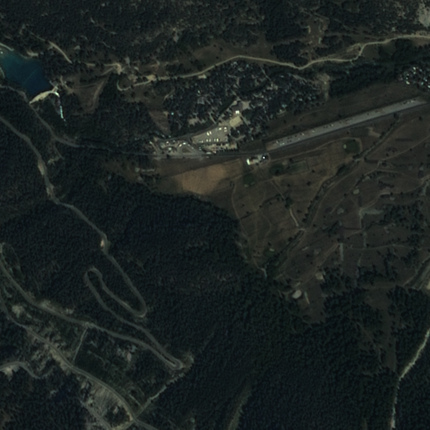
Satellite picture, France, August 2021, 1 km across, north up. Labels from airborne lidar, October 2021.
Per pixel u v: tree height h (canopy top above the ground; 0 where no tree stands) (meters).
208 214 12
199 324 11
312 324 0
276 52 10
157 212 15
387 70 12
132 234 12
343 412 11
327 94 0
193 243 14
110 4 8
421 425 28
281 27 17
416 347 15
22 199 9
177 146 0
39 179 15
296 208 0
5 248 6
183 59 0
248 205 0
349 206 0
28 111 9
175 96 8
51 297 7
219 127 0
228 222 13
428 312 17
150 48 13
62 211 15
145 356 7
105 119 13
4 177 15
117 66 0
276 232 0
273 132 0
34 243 12
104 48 9
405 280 0
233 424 0
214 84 10
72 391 8
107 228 11
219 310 18
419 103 0
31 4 11
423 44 0
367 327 10
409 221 10
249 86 13
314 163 0
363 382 24
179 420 7
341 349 20
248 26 16
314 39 0
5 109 10
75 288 15
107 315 16
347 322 18
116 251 14
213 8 12
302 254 0
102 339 14
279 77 11
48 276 18
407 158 0
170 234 13
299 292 0
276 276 9
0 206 7
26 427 15
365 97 0
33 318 0
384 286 0
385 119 0
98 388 0
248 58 0
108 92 17
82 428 9
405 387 18
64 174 15
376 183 0
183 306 15
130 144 9
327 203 0
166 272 8
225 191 0
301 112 8
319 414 12
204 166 0
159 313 15
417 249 8
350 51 0
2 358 11
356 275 0
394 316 10
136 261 8
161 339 7
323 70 13
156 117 0
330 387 17
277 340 19
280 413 6
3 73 0
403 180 0
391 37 0
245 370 8
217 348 16
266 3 17
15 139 13
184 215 16
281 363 11
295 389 12
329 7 14
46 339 0
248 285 9
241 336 11
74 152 9
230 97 7
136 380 8
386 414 15
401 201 0
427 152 0
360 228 0
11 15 9
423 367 22
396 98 0
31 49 7
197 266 15
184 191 0
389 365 0
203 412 7
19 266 0
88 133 12
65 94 9
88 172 16
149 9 11
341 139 0
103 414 0
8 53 0
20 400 6
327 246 0
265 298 14
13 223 16
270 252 0
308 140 0
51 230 15
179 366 0
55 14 11
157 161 0
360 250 0
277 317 16
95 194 11
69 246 21
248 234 0
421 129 0
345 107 0
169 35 6
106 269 12
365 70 17
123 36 6
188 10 6
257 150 0
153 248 13
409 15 8
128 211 13
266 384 12
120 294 14
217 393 8
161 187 0
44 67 9
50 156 10
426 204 0
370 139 0
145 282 13
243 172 0
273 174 0
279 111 9
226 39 8
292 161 7
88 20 15
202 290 14
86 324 0
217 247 22
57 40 10
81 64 12
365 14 12
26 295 0
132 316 14
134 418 0
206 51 0
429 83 8
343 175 0
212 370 9
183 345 10
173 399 11
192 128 6
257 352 12
